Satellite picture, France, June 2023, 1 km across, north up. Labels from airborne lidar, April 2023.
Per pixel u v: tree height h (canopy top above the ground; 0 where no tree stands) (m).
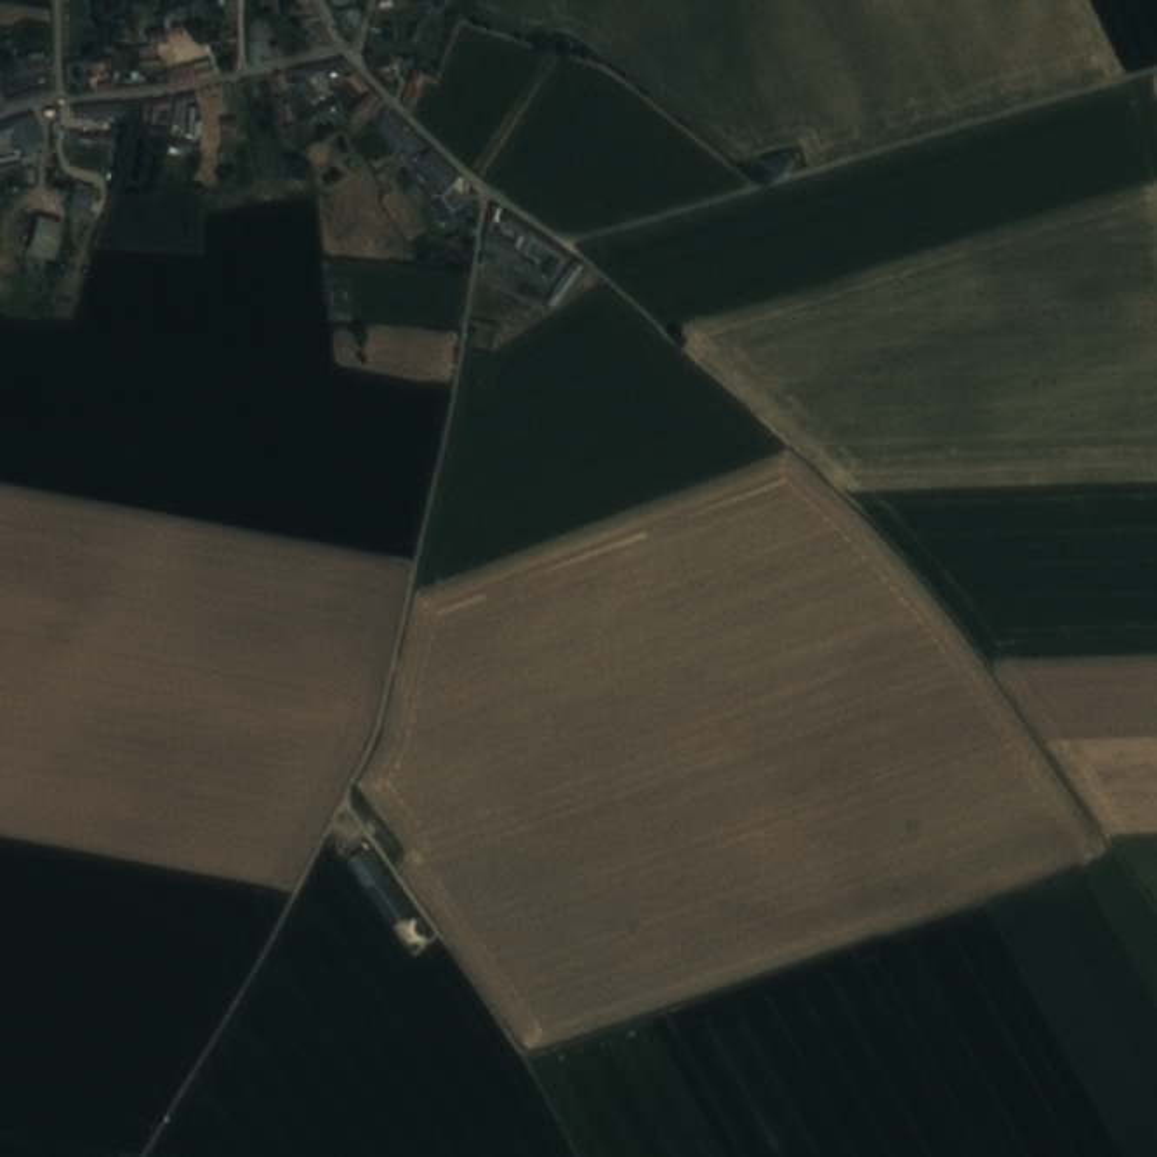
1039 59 0
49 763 0
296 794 0
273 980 0
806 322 0
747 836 0
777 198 0
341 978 0
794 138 0
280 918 0
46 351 0
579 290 0
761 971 0
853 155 0
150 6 0
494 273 0
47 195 0
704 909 0
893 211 0
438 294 0
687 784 0
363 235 0
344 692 0
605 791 0
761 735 0
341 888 0
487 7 0
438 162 0
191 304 0
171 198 0
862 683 0
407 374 0
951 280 0
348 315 0
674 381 0
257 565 0
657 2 0
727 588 0
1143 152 0
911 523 0
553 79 0
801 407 0
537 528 0
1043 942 0
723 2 0
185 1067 0
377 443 0
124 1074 0
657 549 0
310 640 0
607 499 0
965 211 0
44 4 9
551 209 0
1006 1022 0
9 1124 0
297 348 0
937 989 0
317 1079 0
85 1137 0
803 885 0
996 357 0
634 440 0
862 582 0
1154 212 0
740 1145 0
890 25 0
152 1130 0
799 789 0
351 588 0
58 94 0
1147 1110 0
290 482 0
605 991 0
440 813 0
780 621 0
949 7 0
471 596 0
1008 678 0
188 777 0
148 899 0
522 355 0
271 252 0
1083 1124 0
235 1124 0
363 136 0
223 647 0
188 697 0
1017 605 0
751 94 0
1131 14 0
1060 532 0
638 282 0
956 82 0
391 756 0
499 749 0
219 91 0
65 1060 0
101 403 0
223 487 0
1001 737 0
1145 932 0
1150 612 0
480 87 0
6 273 0
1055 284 0
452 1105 0
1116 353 0
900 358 0
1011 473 0
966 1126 0
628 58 0
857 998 0
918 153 0
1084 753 0
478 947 0
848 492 0
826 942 0
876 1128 0
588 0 0
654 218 0
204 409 0
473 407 0
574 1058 0
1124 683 0
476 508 0
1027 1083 0
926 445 0
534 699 0
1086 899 0
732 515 0
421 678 0
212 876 0
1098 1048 0
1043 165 0
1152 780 0
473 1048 0
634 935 0
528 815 0
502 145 0
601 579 0
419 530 0
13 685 0
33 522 0
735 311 0
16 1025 0
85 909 0
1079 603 0
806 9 0
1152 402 0
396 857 0
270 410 0
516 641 0
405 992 0
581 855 0
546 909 0
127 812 0
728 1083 0
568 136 0
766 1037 0
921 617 0
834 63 0
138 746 0
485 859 0
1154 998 0
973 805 0
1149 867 0
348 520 0
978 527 0
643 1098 0
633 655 0
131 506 0
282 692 0
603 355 0
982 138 0
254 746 0
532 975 0
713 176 0
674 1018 0
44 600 0
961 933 0
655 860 0
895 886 0
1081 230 0
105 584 0
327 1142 0
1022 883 0
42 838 0
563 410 0
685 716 0
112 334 0
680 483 0
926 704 0
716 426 0
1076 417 0
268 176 0
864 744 0
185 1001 0
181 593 0
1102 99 0
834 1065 0
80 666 0
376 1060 0
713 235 0
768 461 0
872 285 0
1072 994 0
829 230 0
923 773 0
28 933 0
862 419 0
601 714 0
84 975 0
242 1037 0
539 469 0
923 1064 0
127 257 0
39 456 0
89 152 0
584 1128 0
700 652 0
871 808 0
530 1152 0
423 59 0
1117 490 0
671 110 0
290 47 0
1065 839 0
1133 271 0
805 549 0
